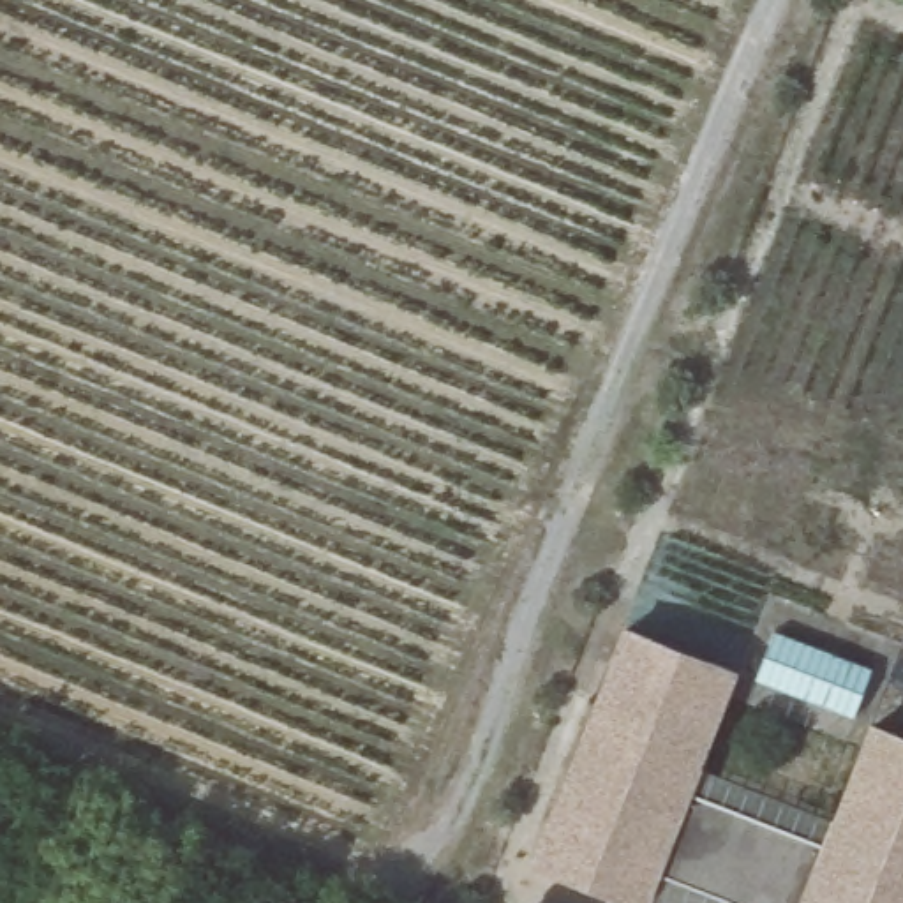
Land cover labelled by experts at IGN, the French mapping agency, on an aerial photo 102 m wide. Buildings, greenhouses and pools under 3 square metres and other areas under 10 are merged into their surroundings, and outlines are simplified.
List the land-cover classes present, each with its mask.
<instances>
[{"label":"vineyard","instance_id":"1","mask_svg":"<svg viewBox=\"0 0 903 903\"><path fill-rule=\"evenodd\" d=\"M734 0H0V727L25 723L28 741L39 751H46L56 765H71L81 772H116L131 797L155 808L162 822H183L187 829L198 825L205 847L250 850L254 868L275 882L289 868L310 871L317 878H339L346 871V857H377L384 850H399L384 832L367 825V801H374L377 783H392L395 790H402L406 783L420 787V772L430 765V755L406 748V741H413V727L406 720L413 713V702L437 709L444 705V695L427 688L423 677L434 663L444 667L448 660H459V649H448L434 638L444 624L459 631L476 628V614H469L459 603L462 589L437 582L434 568H444L452 578H462L466 571L480 575V561H473V550L487 547V536L497 533L490 508L504 497L501 487H487V476L515 480L519 490H529L533 466L522 462V455L533 444V437H547L557 430V423L543 420L547 399H571V377L561 374L564 356L526 342L522 335L526 328L554 335L557 328H568V346H578L582 339H596V332L603 328L596 317L607 286L628 303L635 296L638 268L617 261V254L628 243L635 205L642 198L638 187L653 176L649 169L660 159L667 162L677 152L674 141H667V127L681 123V116L691 113L695 99H681L688 78L691 71H709L713 63V53L698 49L702 35L716 18L730 21ZM801 180L815 183V201L854 198L878 208L882 215L903 219V32H892L878 21H861L850 56L836 78V88L801 166ZM755 286L744 296L748 310L737 321L730 353H716L709 356L713 377L705 384V399L695 406L688 409V423L691 434L684 444L674 448V466H684V483L677 490L670 519H698L705 526L758 540L762 547L790 557L794 564H804L832 578H843L847 554L857 547V529H850L840 515L847 494L889 519L903 515V247H871L861 233L840 229L825 219L808 215L797 205H787L783 226L765 254L762 272H751ZM649 561L660 568L663 578L691 589V600L684 607L695 614L755 631L765 596H790L815 610H825L832 600L815 586L776 575L769 564L748 554L674 529L660 533ZM864 589H875L903 603V533L875 536V550L861 578Z\"/></svg>","mask_w":903,"mask_h":903},{"label":"herbaceous vegetation","instance_id":"2","mask_svg":"<svg viewBox=\"0 0 903 903\"><path fill-rule=\"evenodd\" d=\"M755 0H734L730 21L716 18L702 35L698 49L713 53V63L709 71H691L688 78L681 99H695L691 113L681 116V123L667 127V141H674L677 152L667 162L660 159L649 169L653 176L638 187L642 198L635 205L628 243L617 254V261L638 268L656 243V226L677 198V176L691 159L709 102L727 74L730 53L748 25ZM854 0H787L776 39L765 49L762 71L748 88L744 113L709 180L695 226L681 247V265L674 268L667 293L656 307V317L642 339V349L631 360L628 381L621 388V406L628 409V420L614 437L610 462L603 466L593 487V497L568 543V557L540 614L536 649L529 656V667L522 670V695L504 730L494 776L487 780L469 815V825L430 868L402 847L413 832L434 822L441 797L452 790L466 762L469 737L480 723L494 681V667L504 656L511 614L522 600V586L540 557L547 526L557 511L561 462L571 452L575 427L586 420L600 392L603 367L614 353L628 303L607 286L596 317L603 328L596 332V339H582L578 346H568V328H557L554 335L526 328L522 335L526 342L564 356L561 374L571 377V399H547L543 420L557 423V430L547 437H533V444L522 455V462L533 466L529 490H519L515 480L487 476V487H501L504 497L490 508L497 533L487 536V547L473 550V561H480V575L466 571L462 578H452L444 568H434L437 582L462 589L459 603L469 614H476V628L459 631L444 624L434 638L448 649H459V660H448L444 667L434 663L423 677L427 688L444 695V705L437 709L413 702V713L406 720L413 727V741H406V748L430 755V765L420 772V787L406 783L402 790H395L392 783H377L374 801H367V825L384 832L399 850H384L377 857H346V871H363L377 882L406 885L437 903H504L497 871L515 832V822L504 811L501 794L515 780H533L540 772L554 730L550 723H543L533 691L550 684L568 698L575 691L578 698L596 705L607 684L610 660L596 663L586 656L603 610L578 603L575 593L589 575L614 571L628 547L635 515L660 497L663 473L667 466H674V448L684 444L691 434L688 423L663 420L656 384L674 363L681 370V381H688V399L695 406L705 399V384L713 377L709 356L716 353L720 314H688L691 296L702 286V275L723 282L727 296L734 300L744 296L755 286L751 272L748 254L758 226L769 219L776 166L797 127L801 106L815 95V71L825 60L836 14ZM751 702H737L734 695L727 702L709 758L702 765L713 776H720L727 765L730 737L744 716ZM861 744L808 727L804 744V751L790 765L772 769V783H797V808L832 822L854 776Z\"/></svg>","mask_w":903,"mask_h":903},{"label":"pervious surface","instance_id":"3","mask_svg":"<svg viewBox=\"0 0 903 903\"><path fill-rule=\"evenodd\" d=\"M787 0H755L748 25L730 53L727 74L709 102L691 159L677 176V198L656 226V243L638 268L635 296L628 303L614 353L603 367L600 392L586 420L575 427L571 452L561 462L557 511L547 526L540 557L522 586V600L511 614L504 656L494 667V681L480 723L469 737L466 762L452 790L441 797L434 822L413 832L402 847L430 868L469 825V815L487 780L494 776L504 730L522 695V670L529 667V656L536 649L540 614L568 557V543L593 497V487L603 466L610 462L614 437L628 420V409L621 406V388L628 381L631 360L642 349V339L656 317V307L667 293L674 268L681 265V247L695 226L709 180L744 113L748 88L762 71L765 49L776 39ZM861 21H878L892 32H903V0H854L836 14L825 60L815 71V95L801 106L797 127L776 166L769 219L758 226L748 254L751 272H762L765 254L783 226L787 205H797L808 215L825 219L840 229L861 233L871 247H903V219L882 215L878 208L854 198L815 201V183L801 180V166L836 88V78L850 56ZM748 310L744 296L734 300L720 314L716 353H730L737 321ZM684 483V466H667L663 473L660 497L635 515L628 547L614 571L621 578V596L603 610L586 656L596 663L610 660L617 638L624 631H635L674 653L730 670L734 695L737 702H751L744 716H769L804 744L808 727L861 744L868 730L903 737V603L875 589H864L861 578L875 550V536L903 533V515L889 519L847 494L840 515L850 529H857V547L847 554L843 578H832L804 564H794L790 557L762 547L758 540L705 526L698 519H670L677 490ZM674 529L748 554L769 564L776 575L815 586L832 600L825 610H815L790 596H765L755 631L695 614L684 607L691 600V589L663 578L660 568L649 561L660 533ZM776 635H787L794 642L864 667L868 688L861 695L857 713L840 716L762 688L755 677L765 660V642ZM596 705L578 698L575 691L568 698V705L561 709V727L554 730L540 772L533 780L536 804L515 822V832L497 871L504 903H600L575 889H564L557 875L536 868V847L543 840L547 822L557 811L561 787L568 783L571 765L589 737Z\"/></svg>","mask_w":903,"mask_h":903},{"label":"building","instance_id":"4","mask_svg":"<svg viewBox=\"0 0 903 903\"><path fill-rule=\"evenodd\" d=\"M734 695L730 670L674 653L635 631H624L617 638L610 660L607 684L596 705L589 737L571 765L568 783L561 787L557 811L547 822L543 840L536 847V868L557 875L564 889H575L600 903H903V737L868 730L861 744L854 776L832 822L797 808V783H751L727 765L720 776H713L702 765L709 758L727 702ZM762 688L840 716L857 713L861 695L868 688L864 667L794 642L787 635H776L765 642V660L755 677Z\"/></svg>","mask_w":903,"mask_h":903},{"label":"deciduous trees","instance_id":"5","mask_svg":"<svg viewBox=\"0 0 903 903\"><path fill-rule=\"evenodd\" d=\"M734 300L727 296L723 282L702 275V286L691 296L688 314H720ZM663 420L688 423V409L695 406L688 399V381H681V370L674 363L656 384ZM621 596V578L614 571L589 575L575 593L578 603L603 610ZM543 723H550L554 730L561 727V709L568 705V698L550 684L533 691ZM804 751V744L769 716H744L730 737L727 765L751 783H772V769L790 765ZM0 903H437L406 885L377 882L363 871H346L339 878H317L310 871L289 868L275 882L254 868L250 850L205 847L198 825L187 829L183 822H162L155 808L131 797L116 772H81L71 765H56L46 751H39L28 741L25 723L0 727ZM504 811L515 822L536 804L533 780H515L501 794Z\"/></svg>","mask_w":903,"mask_h":903}]
</instances>
